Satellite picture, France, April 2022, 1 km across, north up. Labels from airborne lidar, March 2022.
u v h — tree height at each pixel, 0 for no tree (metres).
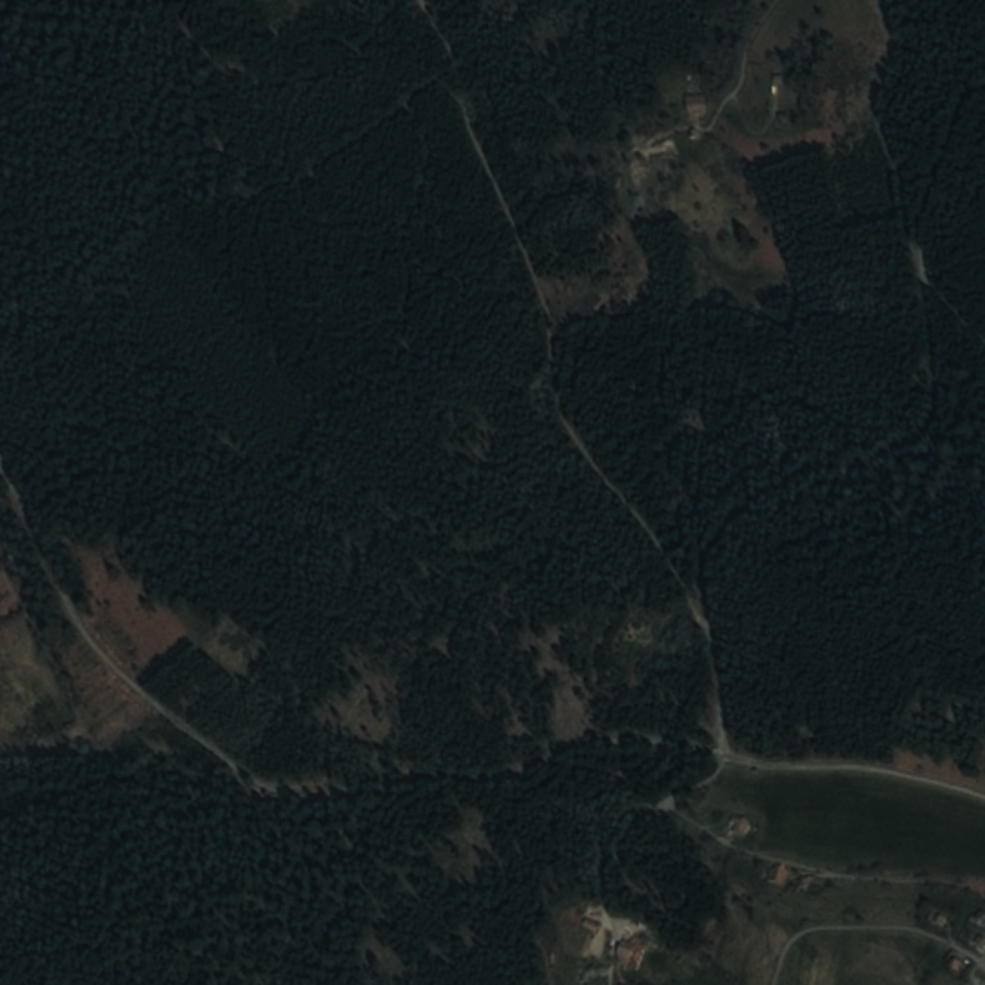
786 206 24
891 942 0
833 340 30
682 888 21
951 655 16
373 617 23
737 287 0
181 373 14
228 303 19
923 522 16
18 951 16
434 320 12
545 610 30
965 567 13
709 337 27
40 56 17
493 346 21
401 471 27
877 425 22
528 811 30
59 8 18
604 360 17
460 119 12
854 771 0
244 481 18
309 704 20
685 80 0
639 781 20
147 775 26
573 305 0
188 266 15
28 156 28
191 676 28
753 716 26
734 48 12
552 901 19
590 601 26
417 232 17
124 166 26
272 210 13
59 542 27
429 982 26
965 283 13
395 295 15
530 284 13
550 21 25
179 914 14
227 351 13
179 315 15
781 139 0
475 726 18
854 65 0
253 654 0
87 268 16
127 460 27
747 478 22
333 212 14
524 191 18
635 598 22
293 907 29
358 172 14
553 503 28
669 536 23
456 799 25
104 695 19
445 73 17
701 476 18
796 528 19
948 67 24
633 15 26
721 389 24
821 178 21
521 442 27
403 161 16
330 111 14
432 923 26
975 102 22
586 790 28
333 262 16
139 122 20
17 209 29
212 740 27
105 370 24
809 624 21
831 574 16
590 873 26
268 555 24
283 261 20
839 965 0
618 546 23
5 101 27
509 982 25
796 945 0
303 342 25
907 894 0
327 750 18
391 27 14
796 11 0
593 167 18
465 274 13
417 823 30
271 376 15
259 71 19
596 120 26
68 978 23
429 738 28
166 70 22
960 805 0
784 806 0
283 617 28
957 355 16
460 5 13
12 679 0
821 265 26
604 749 35
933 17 26
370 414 23
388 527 28
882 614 21
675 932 15
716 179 0
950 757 10
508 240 15
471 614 20
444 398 21
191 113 28
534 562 26
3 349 26
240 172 14
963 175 19
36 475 12
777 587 19
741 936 0
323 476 29
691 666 16
